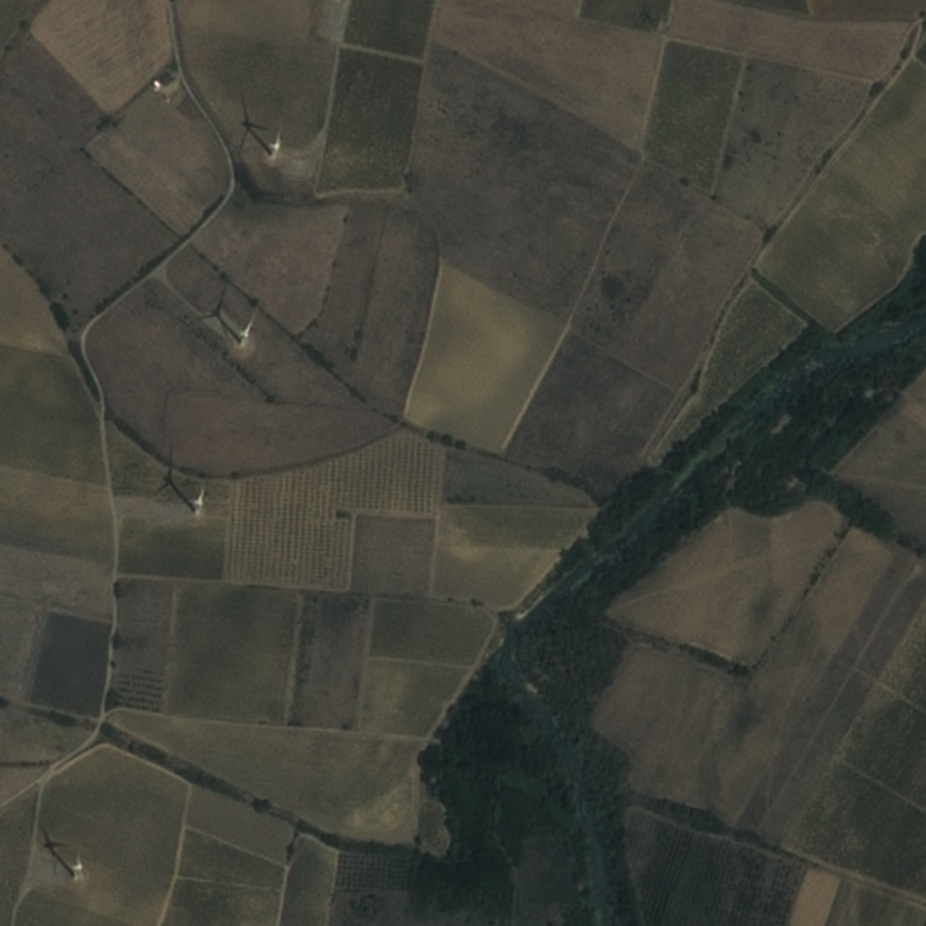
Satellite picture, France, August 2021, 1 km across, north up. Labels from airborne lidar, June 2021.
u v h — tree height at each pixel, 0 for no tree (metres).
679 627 0
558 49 0
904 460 0
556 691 8
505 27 0
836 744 0
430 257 0
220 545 0
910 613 0
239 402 0
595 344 0
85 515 0
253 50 0
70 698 0
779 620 0
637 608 0
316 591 0
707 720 0
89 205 0
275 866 0
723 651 0
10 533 0
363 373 0
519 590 0
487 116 0
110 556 0
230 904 0
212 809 0
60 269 0
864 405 13
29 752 0
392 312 0
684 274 0
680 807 7
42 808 0
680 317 0
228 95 0
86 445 0
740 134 0
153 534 0
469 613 0
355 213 0
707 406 0
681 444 8
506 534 0
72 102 0
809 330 6
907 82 0
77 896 0
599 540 12
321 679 0
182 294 0
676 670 0
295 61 0
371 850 8
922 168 0
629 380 0
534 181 0
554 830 9
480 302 0
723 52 0
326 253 0
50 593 0
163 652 0
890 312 11
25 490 0
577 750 21
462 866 11
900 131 0
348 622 0
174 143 0
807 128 0
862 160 0
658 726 0
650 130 0
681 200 0
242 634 0
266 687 0
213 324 0
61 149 0
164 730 0
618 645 7
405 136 0
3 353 0
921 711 0
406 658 0
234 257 0
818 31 0
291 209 0
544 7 0
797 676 0
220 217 0
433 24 0
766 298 0
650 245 0
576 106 0
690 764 0
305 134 0
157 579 0
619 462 0
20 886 0
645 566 16
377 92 0
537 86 0
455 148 0
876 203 0
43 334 0
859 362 9
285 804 0
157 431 0
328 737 0
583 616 11
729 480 10
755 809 0
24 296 0
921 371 10
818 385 11
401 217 0
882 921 0
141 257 0
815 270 0
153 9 0
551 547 0
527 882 0
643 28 0
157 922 0
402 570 0
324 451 0
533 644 15
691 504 6
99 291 0
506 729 30
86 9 0
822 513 0
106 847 0
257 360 0
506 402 0
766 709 0
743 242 0
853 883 0
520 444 0
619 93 0
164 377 0
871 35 0
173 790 0
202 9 0
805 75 0
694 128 0
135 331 0
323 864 0
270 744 0
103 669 0
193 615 0
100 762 0
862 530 20
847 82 0
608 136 0
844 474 0
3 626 0
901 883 0
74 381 0
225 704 0
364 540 0
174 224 0
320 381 0
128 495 0
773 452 9
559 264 0
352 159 0
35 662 0
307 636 0
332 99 0
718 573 0
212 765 0
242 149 0
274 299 0
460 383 0
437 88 0
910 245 0
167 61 0
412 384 0
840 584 0
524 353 0
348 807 0
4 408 0
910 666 0
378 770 0
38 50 0
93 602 0
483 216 0
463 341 0
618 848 10
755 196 0
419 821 0
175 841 0
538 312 0
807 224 0
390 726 0
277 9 0
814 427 10
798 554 0
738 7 0
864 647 0
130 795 0
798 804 0
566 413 0
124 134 0
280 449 0
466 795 7
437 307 0
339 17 0
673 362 0
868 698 0
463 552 0
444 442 8
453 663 0
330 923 0
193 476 0
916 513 0
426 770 11
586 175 0
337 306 0
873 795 0
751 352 0
